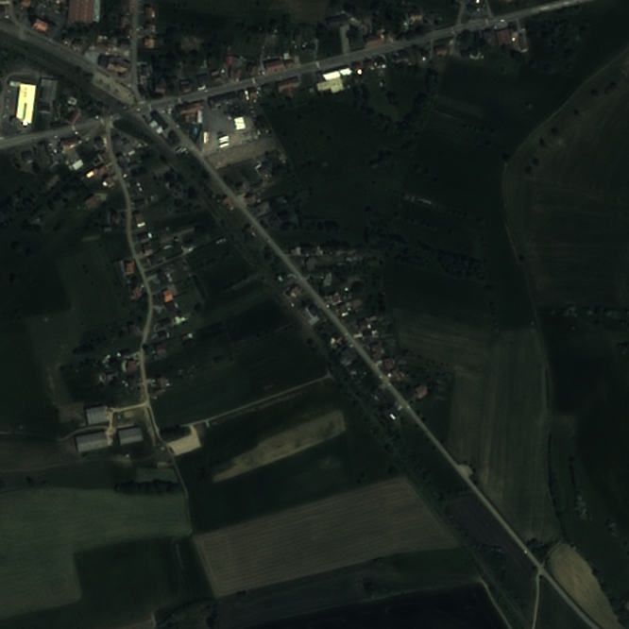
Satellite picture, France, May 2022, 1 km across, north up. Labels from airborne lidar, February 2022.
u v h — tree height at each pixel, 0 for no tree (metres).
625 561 0
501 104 0
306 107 0
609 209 0
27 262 0
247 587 0
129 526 0
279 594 0
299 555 0
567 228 0
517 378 0
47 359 0
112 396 0
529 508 0
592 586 0
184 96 0
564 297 0
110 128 0
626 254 0
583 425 0
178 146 0
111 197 0
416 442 0
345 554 0
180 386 0
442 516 0
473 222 0
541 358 0
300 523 0
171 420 0
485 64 0
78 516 0
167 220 0
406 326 0
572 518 0
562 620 0
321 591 0
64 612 0
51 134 0
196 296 0
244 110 0
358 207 0
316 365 0
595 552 0
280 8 0
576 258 0
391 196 0
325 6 0
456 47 0
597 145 0
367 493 0
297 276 0
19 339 0
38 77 0
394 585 0
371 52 0
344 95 8
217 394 0
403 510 0
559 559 0
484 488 0
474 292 0
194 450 0
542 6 0
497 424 0
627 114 0
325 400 0
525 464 0
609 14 0
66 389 0
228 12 0
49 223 0
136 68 0
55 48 0
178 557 0
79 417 0
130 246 0
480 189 0
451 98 0
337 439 0
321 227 16
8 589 0
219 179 0
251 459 0
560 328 0
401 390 6
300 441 0
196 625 0
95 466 0
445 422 0
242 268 0
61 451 0
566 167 0
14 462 0
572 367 0
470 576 0
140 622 0
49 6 0
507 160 13
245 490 0
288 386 0
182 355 0
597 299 0
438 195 0
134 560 0
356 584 0
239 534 0
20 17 0
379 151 0
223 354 0
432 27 0
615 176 0
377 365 0
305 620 0
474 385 0
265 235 0
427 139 0
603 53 0
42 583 0
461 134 0
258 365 0
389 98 14
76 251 0
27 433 0
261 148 0
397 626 0
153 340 0
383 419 8
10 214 0
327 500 0
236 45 0
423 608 0
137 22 0
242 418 0
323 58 0
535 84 0
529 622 0
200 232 10
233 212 0
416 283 0
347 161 0
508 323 0
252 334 0
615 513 0
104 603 0
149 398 0
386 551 0
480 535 0
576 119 0
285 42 0
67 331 0
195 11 0
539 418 0
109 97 0
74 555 0
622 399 0
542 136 0
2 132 0
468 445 0
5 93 0
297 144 7
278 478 0
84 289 0
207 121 0
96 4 0
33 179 0
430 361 0
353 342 0
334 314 0
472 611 0
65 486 0
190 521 0
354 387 5
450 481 0
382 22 0
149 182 0
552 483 15
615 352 0
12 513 0
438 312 0
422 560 0
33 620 0
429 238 0
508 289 0
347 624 0
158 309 0
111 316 0
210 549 0
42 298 0
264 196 0
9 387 0
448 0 11
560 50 0
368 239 14
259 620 0
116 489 6
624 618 19
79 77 0
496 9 0
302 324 0
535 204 0
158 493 10
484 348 0
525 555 0
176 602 0
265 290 0
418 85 0
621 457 0
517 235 0
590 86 0
